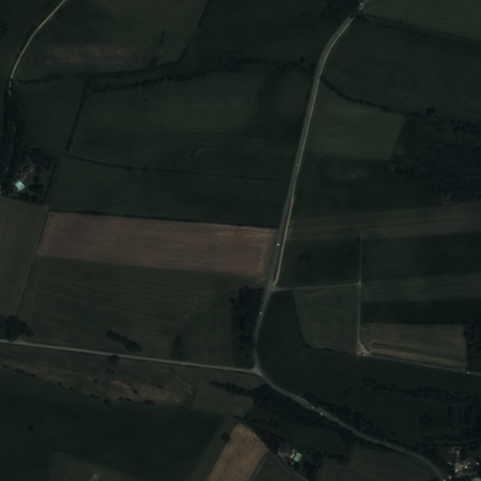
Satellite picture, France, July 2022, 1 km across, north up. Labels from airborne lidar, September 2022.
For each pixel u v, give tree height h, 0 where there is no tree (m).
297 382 0
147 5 0
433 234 0
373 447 14
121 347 0
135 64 0
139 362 0
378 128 0
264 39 0
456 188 8
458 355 0
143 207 0
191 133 0
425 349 0
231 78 0
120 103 0
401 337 0
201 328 0
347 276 0
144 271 0
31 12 0
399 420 0
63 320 0
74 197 0
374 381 12
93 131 0
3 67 0
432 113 19
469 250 0
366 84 0
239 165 0
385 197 0
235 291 0
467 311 0
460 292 0
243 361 0
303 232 0
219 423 0
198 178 0
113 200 0
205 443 0
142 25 0
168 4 0
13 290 0
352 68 0
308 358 0
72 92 0
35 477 0
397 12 0
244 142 0
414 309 0
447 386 0
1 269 0
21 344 0
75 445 0
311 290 0
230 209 0
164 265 0
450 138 0
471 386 0
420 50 0
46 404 0
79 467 0
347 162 0
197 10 0
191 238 0
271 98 0
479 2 0
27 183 0
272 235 0
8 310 0
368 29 0
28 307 0
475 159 8
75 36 0
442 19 0
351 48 0
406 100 0
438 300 0
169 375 0
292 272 0
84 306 0
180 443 0
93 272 0
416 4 0
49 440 0
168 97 0
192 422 0
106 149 0
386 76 0
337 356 0
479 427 11
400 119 0
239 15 0
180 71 0
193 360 0
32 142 0
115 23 0
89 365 0
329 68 0
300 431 0
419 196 0
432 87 0
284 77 0
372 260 0
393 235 0
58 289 0
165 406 0
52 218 0
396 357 0
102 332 0
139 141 0
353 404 0
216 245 0
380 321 0
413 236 0
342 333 0
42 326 0
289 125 0
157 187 0
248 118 0
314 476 16
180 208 0
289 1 0
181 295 0
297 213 0
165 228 0
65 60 0
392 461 0
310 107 0
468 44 0
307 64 5
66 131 0
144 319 0
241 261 0
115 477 0
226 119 0
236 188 0
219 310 0
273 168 0
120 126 0
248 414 7
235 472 0
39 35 0
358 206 0
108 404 12
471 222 0
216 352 0
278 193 0
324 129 0
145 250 0
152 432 0
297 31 0
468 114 0
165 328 0
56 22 0
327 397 0
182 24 0
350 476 0
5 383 0
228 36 0
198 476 0
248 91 0
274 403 11
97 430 0
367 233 0
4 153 22
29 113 0
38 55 0
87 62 0
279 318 0
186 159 0
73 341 0
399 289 0
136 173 0
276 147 0
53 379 0
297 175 0
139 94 0
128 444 0
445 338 0
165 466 0
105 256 0
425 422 26
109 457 0
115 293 0
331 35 0
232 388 17
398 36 0
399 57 0
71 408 0
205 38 0
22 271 0
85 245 0
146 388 0
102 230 0
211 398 0
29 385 0
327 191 0
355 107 0
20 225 0
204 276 0
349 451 0
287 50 0
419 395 20
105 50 0
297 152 0
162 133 0
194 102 0
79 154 0
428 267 0
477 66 0
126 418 0
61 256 0
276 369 0
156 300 0
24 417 0
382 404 0
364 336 0
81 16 0
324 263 0
